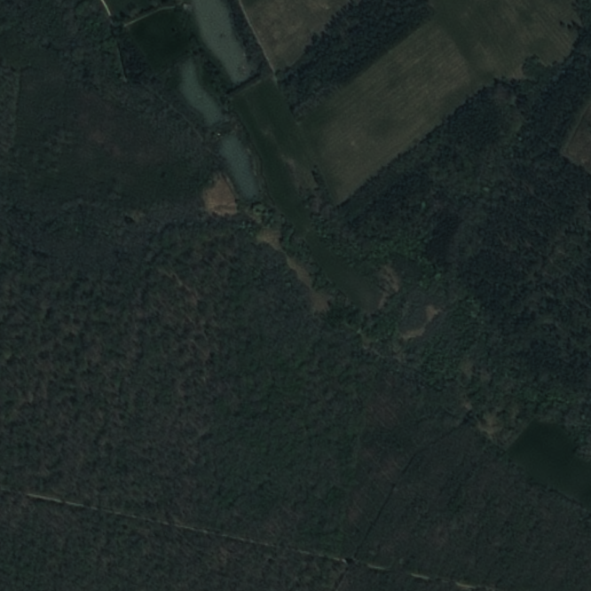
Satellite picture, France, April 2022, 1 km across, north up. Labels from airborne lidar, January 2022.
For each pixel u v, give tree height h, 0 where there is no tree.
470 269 20
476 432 11
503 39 0
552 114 24
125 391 26
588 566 15
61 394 21
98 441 24
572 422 21
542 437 0
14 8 25
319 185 15
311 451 26
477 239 21
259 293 26
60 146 20
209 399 22
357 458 25
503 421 11
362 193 11
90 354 30
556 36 0
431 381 9
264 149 0
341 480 26
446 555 16
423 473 15
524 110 24
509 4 0
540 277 15
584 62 19
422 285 12
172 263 27
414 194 25
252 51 22
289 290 16
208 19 0
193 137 21
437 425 16
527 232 23
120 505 22
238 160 0
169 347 23
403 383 20
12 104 22
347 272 0
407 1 20
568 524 16
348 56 20
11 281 29
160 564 20
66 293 24
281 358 23
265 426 26
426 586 17
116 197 23
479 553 15
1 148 20
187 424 21
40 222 17
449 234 23
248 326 20
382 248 13
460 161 30
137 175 10
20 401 27
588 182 23
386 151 0
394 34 22
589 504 0
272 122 0
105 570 23
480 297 14
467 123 25
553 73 6
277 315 25
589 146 0
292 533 25
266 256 17
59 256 20
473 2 0
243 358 23
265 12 0
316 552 24
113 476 24
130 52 11
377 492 15
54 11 10
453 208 21
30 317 26
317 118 0
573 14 0
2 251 23
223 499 23
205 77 0
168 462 24
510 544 15
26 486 23
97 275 25
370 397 23
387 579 16
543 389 16
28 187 21
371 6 25
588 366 20
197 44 10
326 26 0
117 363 29
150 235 13
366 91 0
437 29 0
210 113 0
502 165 22
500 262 24
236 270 26
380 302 0
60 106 9
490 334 19
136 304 27
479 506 14
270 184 0
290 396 26
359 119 0
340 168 0
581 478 0
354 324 12
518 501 16
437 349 7
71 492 22
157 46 0
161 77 0
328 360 26
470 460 15
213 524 23
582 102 22
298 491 24
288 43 0
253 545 22
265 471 23
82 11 14
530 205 25
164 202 15
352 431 29
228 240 9
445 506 16
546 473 0
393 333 11
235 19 12
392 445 18
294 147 0
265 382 27
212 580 20
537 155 23
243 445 24
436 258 21
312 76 20
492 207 15
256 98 0
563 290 24
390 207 24
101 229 22
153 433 23
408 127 0
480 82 0
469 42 0
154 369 21
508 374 17
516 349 20
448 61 0
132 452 24
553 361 25
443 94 0
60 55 18
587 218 19
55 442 24
